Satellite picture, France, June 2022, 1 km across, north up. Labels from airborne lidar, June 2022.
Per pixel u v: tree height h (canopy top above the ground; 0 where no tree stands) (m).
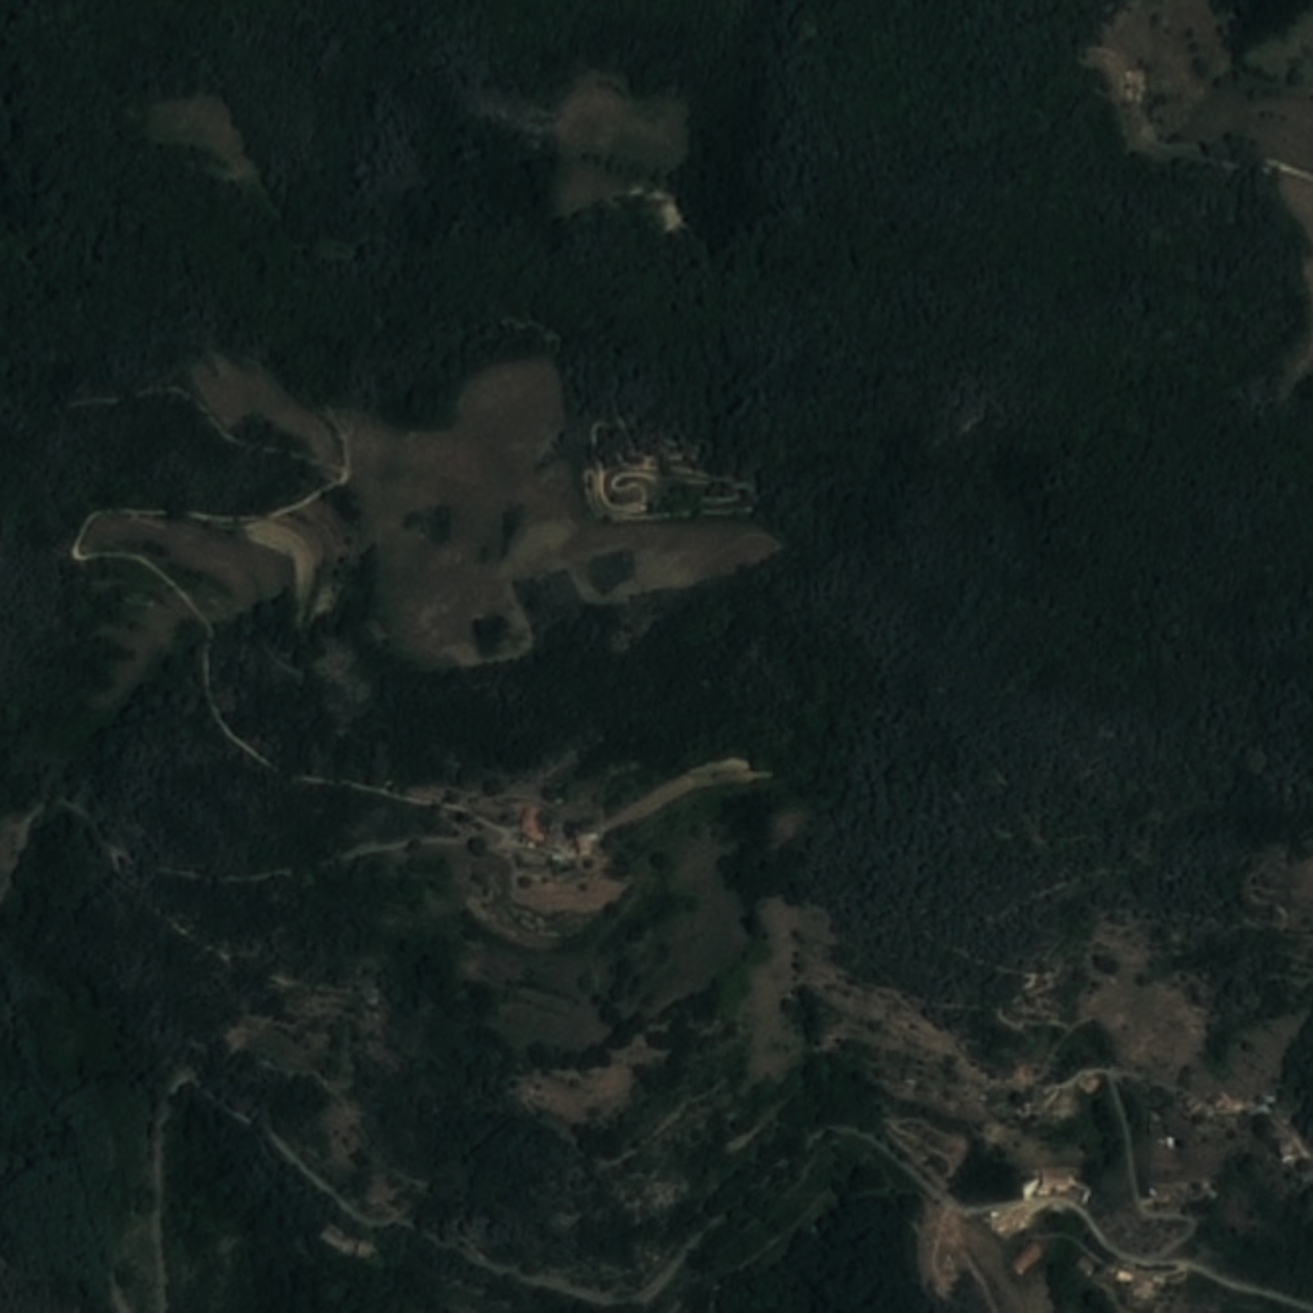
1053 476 21
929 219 20
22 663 11
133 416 9
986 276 18
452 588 0
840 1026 7
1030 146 11
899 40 10
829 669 18
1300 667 20
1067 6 12
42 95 21
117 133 21
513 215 12
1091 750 14
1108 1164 9
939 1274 0
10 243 23
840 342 18
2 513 13
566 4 13
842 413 19
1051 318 13
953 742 17
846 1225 25
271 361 7
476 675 10
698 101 7
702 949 0
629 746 17
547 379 0
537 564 0
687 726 14
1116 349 15
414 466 0
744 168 25
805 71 14
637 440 13
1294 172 0
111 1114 8
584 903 0
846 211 21
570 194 0
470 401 0
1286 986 12
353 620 8
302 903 10
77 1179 24
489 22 17
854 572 12
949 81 15
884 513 17
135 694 9
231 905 11
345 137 20
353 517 6
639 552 0
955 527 12
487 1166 12
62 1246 25
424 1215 8
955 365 19
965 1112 0
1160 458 21
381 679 8
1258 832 6
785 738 20
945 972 9
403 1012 7
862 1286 20
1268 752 11
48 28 17
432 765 11
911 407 20
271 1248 16
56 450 18
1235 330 16
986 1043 11
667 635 14
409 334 15
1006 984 9
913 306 13
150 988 10
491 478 0
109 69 15
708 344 17
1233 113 0
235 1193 17
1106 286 16
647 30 11
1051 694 18
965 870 11
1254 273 19
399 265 17
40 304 18
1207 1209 12
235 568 0
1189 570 14
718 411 6
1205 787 6
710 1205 11
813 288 20
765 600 10
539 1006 0
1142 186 20
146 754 15
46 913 21
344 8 15
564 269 15
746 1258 10
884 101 12
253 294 17
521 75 12
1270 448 20
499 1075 8
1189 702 15
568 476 0
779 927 0
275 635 11
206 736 7
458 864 0
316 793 8
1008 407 12
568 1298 6
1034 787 17
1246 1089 0
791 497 12
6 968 20
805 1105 11
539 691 13
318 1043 0
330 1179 6
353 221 13
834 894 12
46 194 18
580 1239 6
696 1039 10
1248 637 12
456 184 12
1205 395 22
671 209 0
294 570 0
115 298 19
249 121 9
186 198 19
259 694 7
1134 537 22
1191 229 19
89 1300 23
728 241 17
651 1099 11
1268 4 18
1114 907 11
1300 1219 8
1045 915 5
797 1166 11
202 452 12
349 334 15
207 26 16
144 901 11
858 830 15
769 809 12
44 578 11
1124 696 18
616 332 16
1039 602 12
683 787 0
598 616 9
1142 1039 0
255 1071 16
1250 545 19
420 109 21
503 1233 10
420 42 15
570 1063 11
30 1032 14
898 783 16
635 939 13
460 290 17
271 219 10
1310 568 18
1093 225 22
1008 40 13
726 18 12
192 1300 6
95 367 11
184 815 13
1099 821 10
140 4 19
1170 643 18
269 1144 19
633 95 7
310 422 0
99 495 12
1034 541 20
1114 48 0
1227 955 8
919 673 14
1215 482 18
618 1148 12
